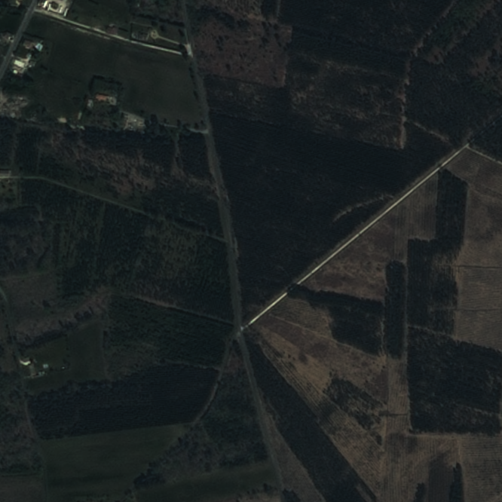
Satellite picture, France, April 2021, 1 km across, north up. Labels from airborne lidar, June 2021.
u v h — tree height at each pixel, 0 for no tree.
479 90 12
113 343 10
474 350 9
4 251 22
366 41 7
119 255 7
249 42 7
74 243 7
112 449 0
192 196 7
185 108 0
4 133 20
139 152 18
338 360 0
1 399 20
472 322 0
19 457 14
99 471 0
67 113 0
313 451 11
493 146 20
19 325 0
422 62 15
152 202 7
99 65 0
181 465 15
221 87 7
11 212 6
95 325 0
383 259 0
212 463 12
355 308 12
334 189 8
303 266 8
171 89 0
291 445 11
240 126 9
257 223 8
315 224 7
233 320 6
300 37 16
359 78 8
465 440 0
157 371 7
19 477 0
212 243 7
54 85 0
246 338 11
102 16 0
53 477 0
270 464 0
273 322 0
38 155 5
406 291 13
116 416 11
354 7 9
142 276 7
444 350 9
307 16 10
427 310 8
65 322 0
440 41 16
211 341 10
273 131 9
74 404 16
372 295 0
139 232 7
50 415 18
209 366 9
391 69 17
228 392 14
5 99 0
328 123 7
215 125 9
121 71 0
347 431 0
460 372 11
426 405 6
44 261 16
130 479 0
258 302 7
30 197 7
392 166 10
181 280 6
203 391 8
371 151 10
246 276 8
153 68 0
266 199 8
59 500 0
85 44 0
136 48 0
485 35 15
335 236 8
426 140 9
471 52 15
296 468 0
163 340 8
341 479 10
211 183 11
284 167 9
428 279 7
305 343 0
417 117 15
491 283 0
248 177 8
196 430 8
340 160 10
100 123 8
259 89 5
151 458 0
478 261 0
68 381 0
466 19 15
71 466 0
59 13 0
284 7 8
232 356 10
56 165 6
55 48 0
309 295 14
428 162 9
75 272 7
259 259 7
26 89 10
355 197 8
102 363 0
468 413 7
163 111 0
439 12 10
